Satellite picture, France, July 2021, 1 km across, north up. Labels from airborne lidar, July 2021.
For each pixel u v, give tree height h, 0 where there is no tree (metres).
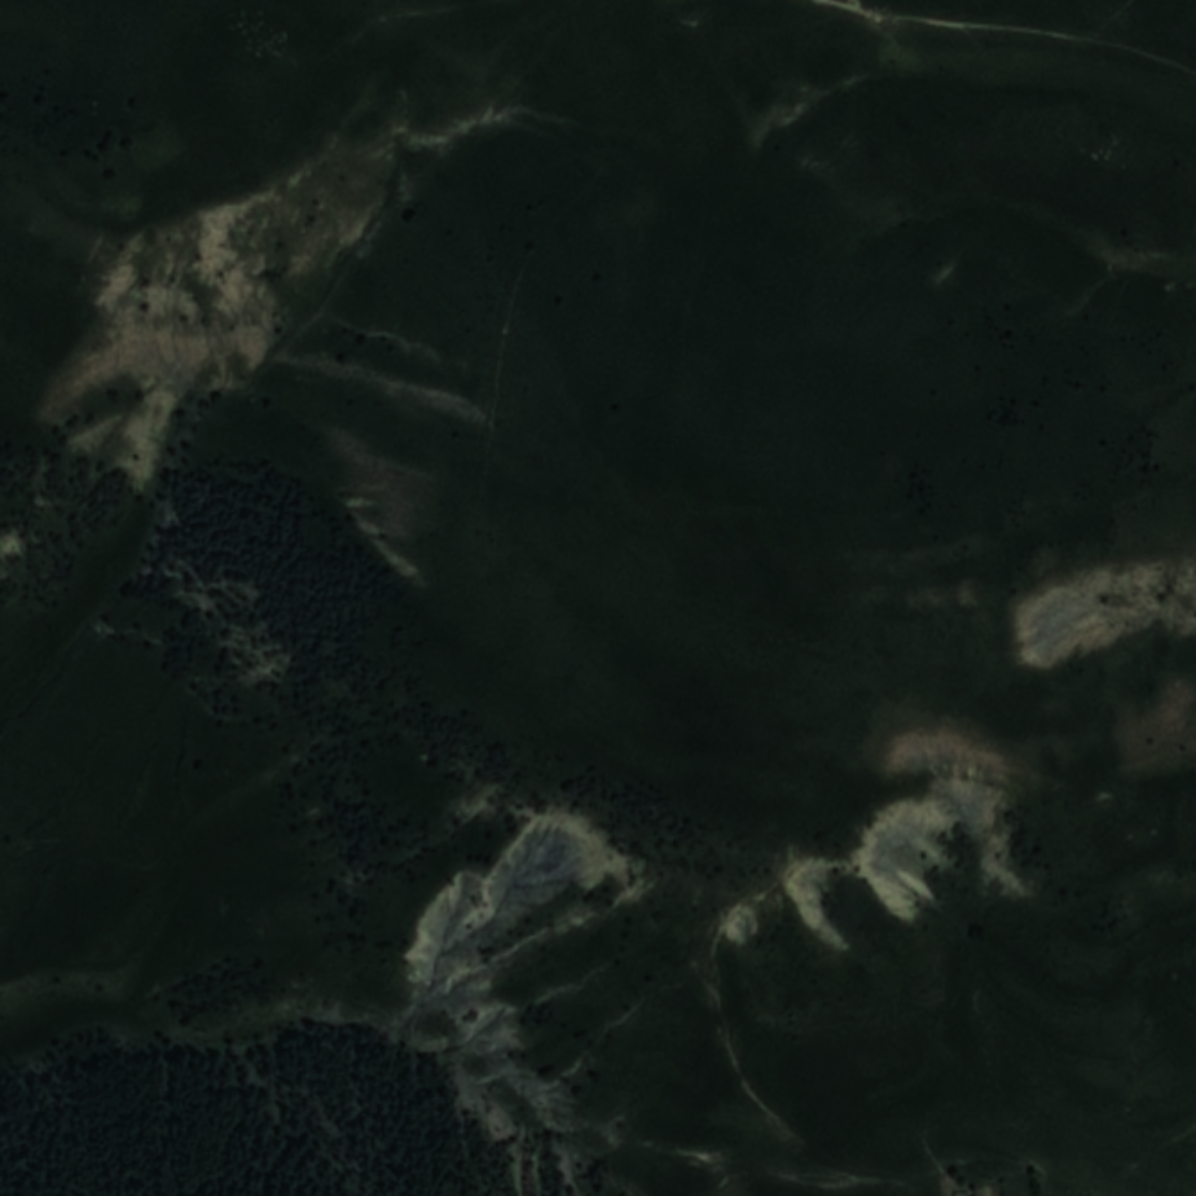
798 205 0
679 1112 0
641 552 0
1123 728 0
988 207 0
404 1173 18
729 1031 0
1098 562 0
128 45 0
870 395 0
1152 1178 0
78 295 0
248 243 0
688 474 0
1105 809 0
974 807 0
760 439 0
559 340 0
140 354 0
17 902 0
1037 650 0
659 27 0
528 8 0
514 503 0
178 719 0
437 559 0
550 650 0
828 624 0
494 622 0
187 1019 11
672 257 0
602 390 0
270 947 0
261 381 0
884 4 0
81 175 0
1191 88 0
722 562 0
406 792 0
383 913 0
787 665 0
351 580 11
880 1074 0
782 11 0
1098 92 0
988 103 0
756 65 0
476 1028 0
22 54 0
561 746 0
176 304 0
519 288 0
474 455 0
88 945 0
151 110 0
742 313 0
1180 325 0
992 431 0
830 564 0
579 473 0
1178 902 0
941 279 0
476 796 0
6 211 0
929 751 0
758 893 0
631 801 6
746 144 0
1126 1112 0
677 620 0
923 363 0
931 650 0
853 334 0
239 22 0
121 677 0
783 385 0
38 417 0
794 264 0
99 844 0
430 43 0
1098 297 0
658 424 0
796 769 0
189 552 10
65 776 0
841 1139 0
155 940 0
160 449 0
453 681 0
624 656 0
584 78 0
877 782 0
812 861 0
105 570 0
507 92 0
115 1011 0
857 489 0
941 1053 0
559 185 0
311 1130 8
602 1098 0
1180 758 0
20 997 0
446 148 0
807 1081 0
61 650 0
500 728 0
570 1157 0
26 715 0
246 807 0
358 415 0
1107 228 0
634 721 0
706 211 0
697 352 0
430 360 0
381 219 0
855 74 0
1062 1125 0
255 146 0
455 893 0
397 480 0
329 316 0
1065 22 0
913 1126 0
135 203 0
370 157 0
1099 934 7
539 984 0
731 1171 0
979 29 0
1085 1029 0
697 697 0
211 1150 24
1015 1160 0
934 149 0
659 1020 0
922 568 0
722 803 0
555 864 0
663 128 0
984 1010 0
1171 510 0
